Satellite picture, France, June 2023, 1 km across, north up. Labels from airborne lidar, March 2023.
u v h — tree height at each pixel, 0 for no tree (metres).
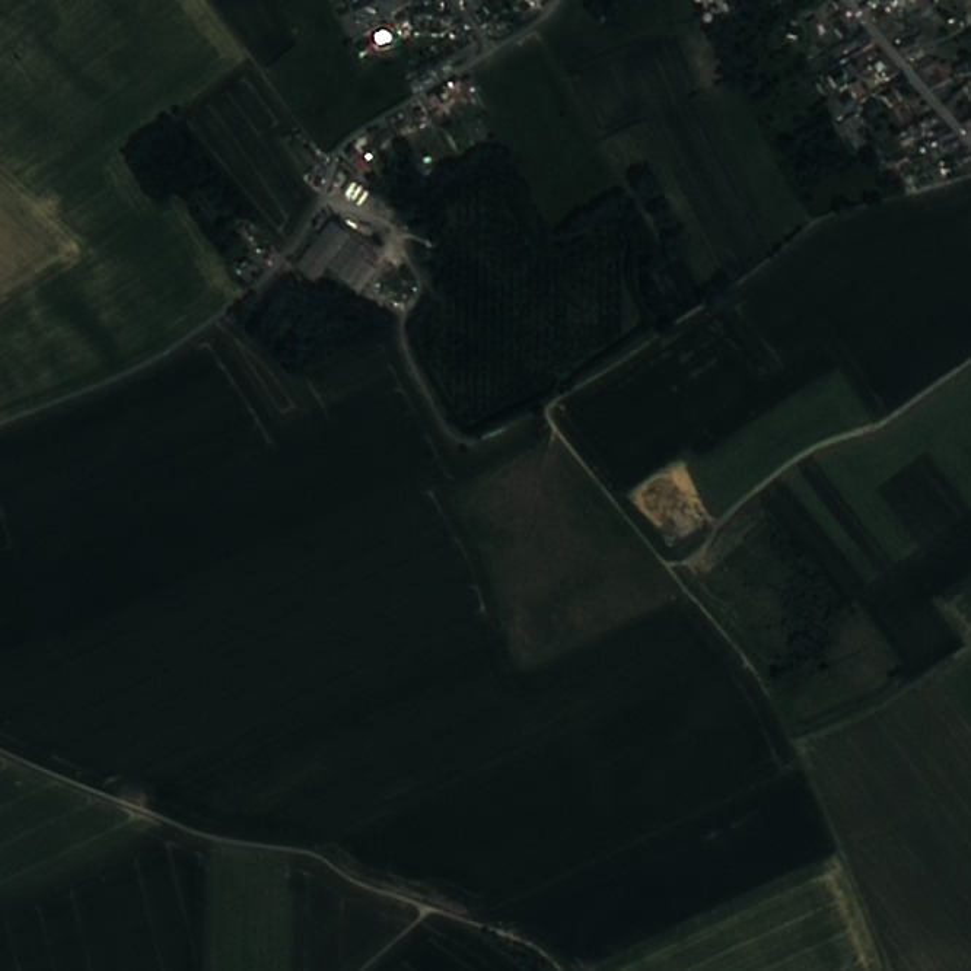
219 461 0
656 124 0
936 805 0
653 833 0
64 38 0
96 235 0
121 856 0
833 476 0
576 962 0
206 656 0
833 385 0
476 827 0
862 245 0
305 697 0
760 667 0
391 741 0
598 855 0
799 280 0
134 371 0
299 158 0
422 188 14
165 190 16
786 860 0
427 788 0
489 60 0
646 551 0
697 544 0
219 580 0
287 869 0
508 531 0
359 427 0
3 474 0
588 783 0
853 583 0
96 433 0
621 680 0
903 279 0
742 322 0
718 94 0
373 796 0
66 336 0
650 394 0
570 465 0
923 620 0
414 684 0
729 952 0
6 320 0
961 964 0
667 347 0
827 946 0
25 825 0
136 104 0
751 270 0
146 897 0
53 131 0
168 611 0
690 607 0
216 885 0
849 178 0
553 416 0
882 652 0
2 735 0
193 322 0
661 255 16
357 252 0
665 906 0
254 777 0
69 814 0
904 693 0
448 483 0
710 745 0
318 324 22
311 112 0
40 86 0
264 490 0
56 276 0
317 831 0
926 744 0
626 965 0
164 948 0
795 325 0
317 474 0
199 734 0
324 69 0
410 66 0
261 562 0
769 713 0
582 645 0
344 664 0
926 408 0
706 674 0
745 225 0
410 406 0
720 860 0
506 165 16
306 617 0
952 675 0
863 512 0
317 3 0
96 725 0
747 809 0
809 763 0
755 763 0
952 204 0
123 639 0
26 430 0
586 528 0
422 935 0
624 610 0
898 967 0
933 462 0
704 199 0
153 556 0
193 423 0
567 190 0
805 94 0
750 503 0
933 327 0
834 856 0
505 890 0
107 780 0
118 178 0
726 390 0
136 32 0
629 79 0
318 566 0
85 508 0
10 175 0
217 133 0
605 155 0
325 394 0
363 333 27
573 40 0
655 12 0
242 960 0
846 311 0
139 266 0
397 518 0
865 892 0
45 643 0
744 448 0
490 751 0
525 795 0
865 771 0
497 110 0
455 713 0
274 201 0
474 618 0
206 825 0
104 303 0
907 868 0
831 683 0
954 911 0
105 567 0
